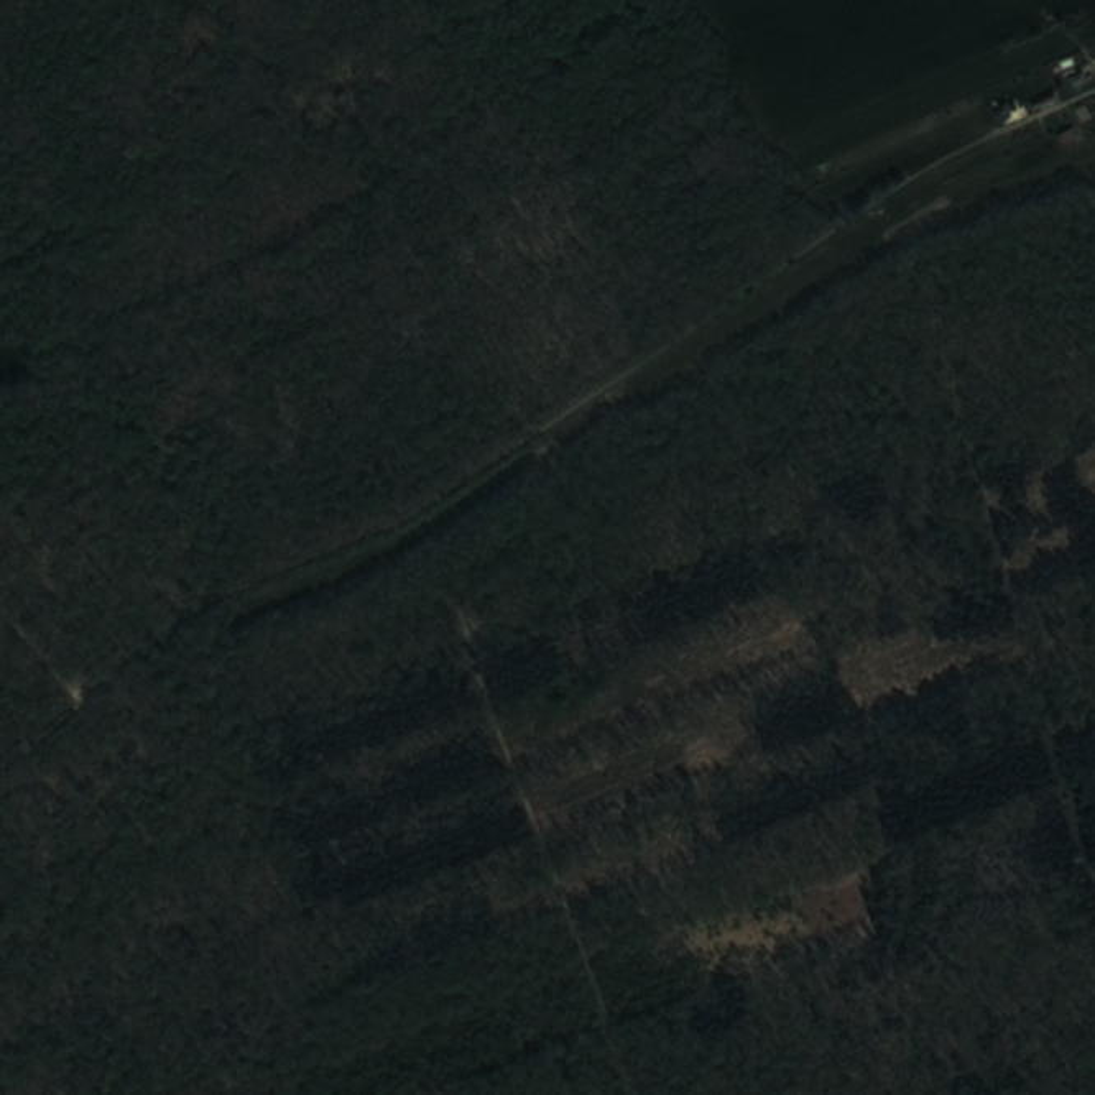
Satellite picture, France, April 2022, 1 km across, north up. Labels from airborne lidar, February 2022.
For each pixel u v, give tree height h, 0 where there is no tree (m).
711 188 26
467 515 18
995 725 30
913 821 24
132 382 25
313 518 23
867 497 34
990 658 0
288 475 23
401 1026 21
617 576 25
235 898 25
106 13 19
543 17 20
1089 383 26
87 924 27
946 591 23
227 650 23
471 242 25
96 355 21
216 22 24
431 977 23
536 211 21
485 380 23
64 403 20
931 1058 24
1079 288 25
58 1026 29
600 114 21
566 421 0
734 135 25
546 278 18
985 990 24
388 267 20
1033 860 22
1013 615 24
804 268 0
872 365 25
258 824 22
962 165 0
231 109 25
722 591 27
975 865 21
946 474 29
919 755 20
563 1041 21
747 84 0
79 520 23
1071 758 23
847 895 0
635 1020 21
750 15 0
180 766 26
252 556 20
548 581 25
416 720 26
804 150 0
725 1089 21
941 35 0
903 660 0
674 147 24
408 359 20
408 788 23
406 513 20
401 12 27
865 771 26
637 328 21
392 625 27
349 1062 6
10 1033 23
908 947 19
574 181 25
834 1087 21
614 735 21
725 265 22
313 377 22
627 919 22
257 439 24
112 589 24
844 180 0
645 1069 23
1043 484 0
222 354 18
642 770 0
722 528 20
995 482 23
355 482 16
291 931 26
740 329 0
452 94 21
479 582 27
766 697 26
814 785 24
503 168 23
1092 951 28
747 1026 19
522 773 18
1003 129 0
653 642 24
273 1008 24
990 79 0
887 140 0
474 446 20
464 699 27
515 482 21
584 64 22
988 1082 7
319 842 22
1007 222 29
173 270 19
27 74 25
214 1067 24
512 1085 25
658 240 23
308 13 24
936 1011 23
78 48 26
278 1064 24
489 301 21
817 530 29
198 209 25
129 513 24
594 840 22
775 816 25
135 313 17
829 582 23
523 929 23
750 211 25
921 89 0
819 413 27
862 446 27
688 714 24
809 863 24
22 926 26
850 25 0
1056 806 24
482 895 24
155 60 26
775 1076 23
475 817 25
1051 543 0
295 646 28
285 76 19
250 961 25
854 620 23
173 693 24
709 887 24
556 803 0
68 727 20
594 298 20
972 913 19
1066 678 24
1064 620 28
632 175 25
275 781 19
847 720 18
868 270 19
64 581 27
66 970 27
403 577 27
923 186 0
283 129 26
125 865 26
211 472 21
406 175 18
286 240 14
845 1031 25
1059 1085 24
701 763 0
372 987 22
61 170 19
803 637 0
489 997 22
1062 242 27
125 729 23
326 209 15
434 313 23
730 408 25
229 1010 23
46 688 24
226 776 23
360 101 24
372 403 26
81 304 23
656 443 23
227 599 10
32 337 21
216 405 21
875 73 0
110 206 24
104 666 21
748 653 0
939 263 25
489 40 21
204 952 29
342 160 23
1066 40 0
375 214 19
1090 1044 29
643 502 26
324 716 31
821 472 28
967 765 22
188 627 22
